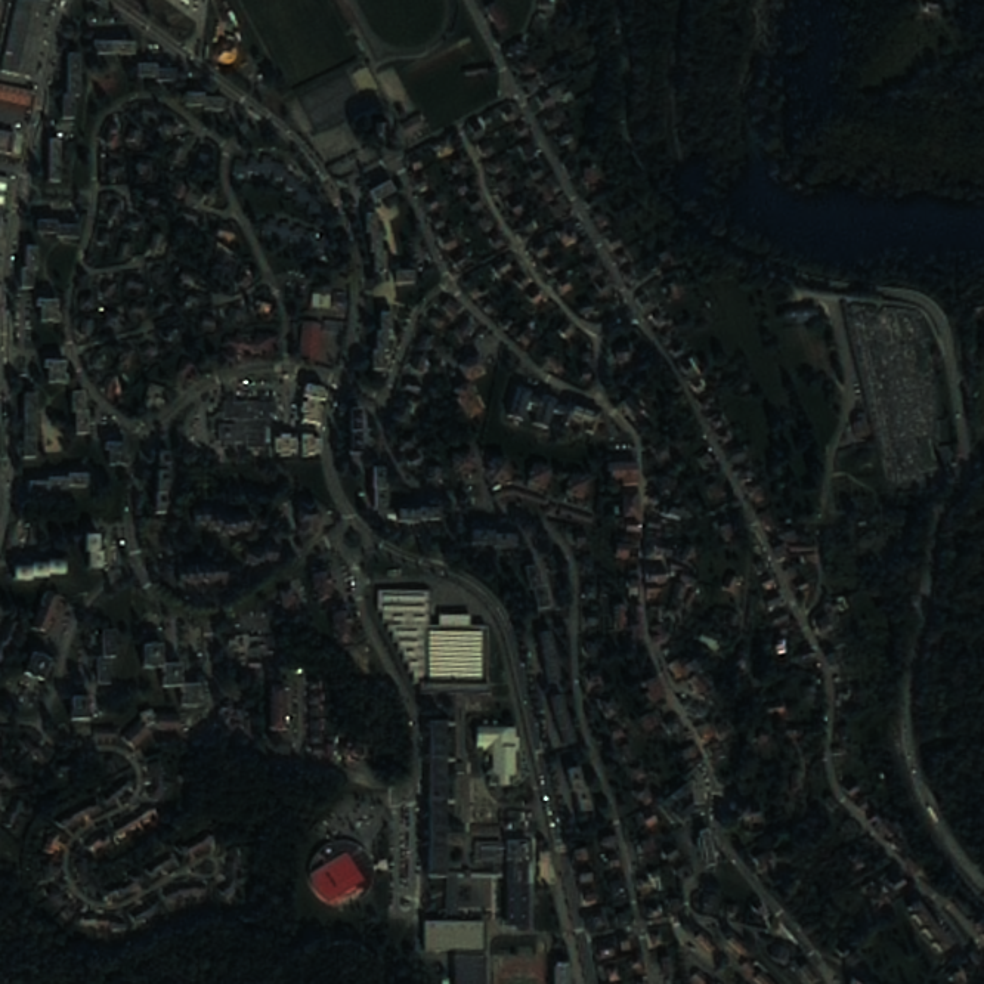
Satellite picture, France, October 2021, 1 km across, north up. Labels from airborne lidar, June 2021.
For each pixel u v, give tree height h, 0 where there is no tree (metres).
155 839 10
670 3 23
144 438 0
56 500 22
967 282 12
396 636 0
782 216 24
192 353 17
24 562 12
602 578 7
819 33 22
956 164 30
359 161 0
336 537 0
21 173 0
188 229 15
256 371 0
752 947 13
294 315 14
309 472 0
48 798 8
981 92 22
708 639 0
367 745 8
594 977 0
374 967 17
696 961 0
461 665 0
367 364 13
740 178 23
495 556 16
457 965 0
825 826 13
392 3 0
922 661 21
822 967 0
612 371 9
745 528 17
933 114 14
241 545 16
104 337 9
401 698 14
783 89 13
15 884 11
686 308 0
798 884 16
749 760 16
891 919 21
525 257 0
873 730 0
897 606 26
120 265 0
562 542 0
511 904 0
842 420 0
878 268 29
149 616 0
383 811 0
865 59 18
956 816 19
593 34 11
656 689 0
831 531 17
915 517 13
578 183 9
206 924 17
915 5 14
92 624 10
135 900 0
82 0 0
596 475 16
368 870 0
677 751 10
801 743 6
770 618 7
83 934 0
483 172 0
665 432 7
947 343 0
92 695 0
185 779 10
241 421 0
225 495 16
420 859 0
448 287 0
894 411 0
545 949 0
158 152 8
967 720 28
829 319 9
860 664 6
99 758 16
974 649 19
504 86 0
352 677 15
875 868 8
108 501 26
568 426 10
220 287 7
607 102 23
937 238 30
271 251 10
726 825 17
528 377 0
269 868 16
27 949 13
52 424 11
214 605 13
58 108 0
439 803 0
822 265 19
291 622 18
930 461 0
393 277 0
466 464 0
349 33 0
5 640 0
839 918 11
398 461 8
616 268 0
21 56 0
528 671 7
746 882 0
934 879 6
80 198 11
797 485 14
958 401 0
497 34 9
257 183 7
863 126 20
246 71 0
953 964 11
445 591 0
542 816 0
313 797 18
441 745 0
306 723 0
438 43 0
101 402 0
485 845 0
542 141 0
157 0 0
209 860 0
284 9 0
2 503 0
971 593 28
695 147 9
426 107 0
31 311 0
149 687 10
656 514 6
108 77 0
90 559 0
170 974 15
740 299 0
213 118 8
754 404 0
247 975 17
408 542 15
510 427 0
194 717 0
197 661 13
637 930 0
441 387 10
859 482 0
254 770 21
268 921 20
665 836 7
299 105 0
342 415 8
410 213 0
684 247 17
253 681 15
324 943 19
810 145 17
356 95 0
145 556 8
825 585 0
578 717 7
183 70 10
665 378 10
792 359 0
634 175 28
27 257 0
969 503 20
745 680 19
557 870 0
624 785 8
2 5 0
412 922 0
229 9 0
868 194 19
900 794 6
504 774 0
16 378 14
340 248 12
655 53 24
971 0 16
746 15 20
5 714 15
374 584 0
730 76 30
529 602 16
